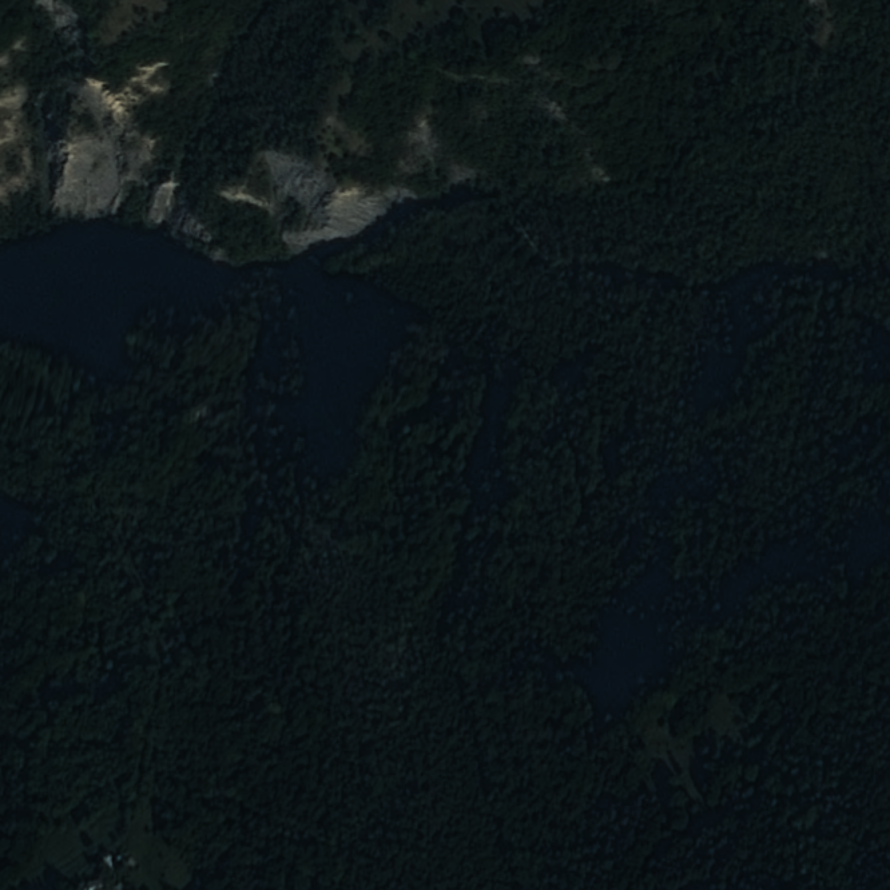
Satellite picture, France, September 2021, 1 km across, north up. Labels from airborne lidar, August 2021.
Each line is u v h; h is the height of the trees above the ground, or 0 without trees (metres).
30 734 20
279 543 24
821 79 10
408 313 12
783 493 22
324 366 24
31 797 19
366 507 26
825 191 17
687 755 0
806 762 31
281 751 22
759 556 25
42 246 26
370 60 17
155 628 6
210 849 22
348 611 7
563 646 13
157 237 8
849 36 20
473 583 21
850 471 23
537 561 20
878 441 25
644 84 19
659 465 22
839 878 28
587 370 23
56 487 13
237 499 23
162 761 13
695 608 32
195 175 20
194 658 20
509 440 25
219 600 29
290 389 26
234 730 28
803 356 25
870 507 19
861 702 24
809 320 27
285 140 18
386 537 9
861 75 21
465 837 8
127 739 25
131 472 21
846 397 24
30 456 12
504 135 20
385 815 19
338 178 10
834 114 16
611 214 23
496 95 20
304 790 29
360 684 17
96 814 13
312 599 11
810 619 24
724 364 19
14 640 25
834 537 28
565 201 23
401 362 22
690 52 15
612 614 11
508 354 7
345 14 18
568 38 8
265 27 8
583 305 21
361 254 13
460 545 6
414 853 16
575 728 25
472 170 18
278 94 11
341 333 30
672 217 22
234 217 17
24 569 36
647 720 22
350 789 17
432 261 24
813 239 9
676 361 21
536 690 30
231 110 22
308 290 26
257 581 23
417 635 8
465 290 7
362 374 12
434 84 9
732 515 20
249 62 13
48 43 14
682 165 27
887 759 22
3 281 16
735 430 17
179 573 26
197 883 12
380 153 16
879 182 18
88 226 10
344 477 25
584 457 16
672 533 23
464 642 9
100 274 21
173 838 25
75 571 32
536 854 22
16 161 12
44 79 17
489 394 8
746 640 31
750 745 18
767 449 17
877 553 21
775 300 24
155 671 20
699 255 23
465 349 11
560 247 19
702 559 28
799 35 8
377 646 16
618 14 8
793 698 34
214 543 24
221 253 9
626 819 25
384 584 11
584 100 18
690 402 22
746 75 22
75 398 29
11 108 0
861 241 17
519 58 21
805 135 21
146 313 8
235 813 18
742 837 30
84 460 19
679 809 22
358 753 10
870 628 22
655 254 19
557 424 16
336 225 0
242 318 33
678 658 19
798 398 26
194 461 18
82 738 24
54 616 28
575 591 11
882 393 23
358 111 21
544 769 29
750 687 25
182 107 15
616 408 15
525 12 0
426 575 12
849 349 14
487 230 16
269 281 23
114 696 21
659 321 18
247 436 22
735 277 13
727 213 19
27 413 9
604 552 22
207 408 12
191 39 16
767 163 17
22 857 23
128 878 7
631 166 21
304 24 26
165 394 21
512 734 25
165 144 9
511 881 6
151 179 16
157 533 16
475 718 23
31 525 27
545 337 15
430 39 15
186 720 20
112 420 21
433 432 25
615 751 26
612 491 7
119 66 18
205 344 30
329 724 21
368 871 16
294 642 27
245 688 21
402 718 9
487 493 28
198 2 29
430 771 15
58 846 0
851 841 31
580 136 22
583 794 27
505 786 25
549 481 25
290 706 32
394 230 9
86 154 0
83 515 17
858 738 27
